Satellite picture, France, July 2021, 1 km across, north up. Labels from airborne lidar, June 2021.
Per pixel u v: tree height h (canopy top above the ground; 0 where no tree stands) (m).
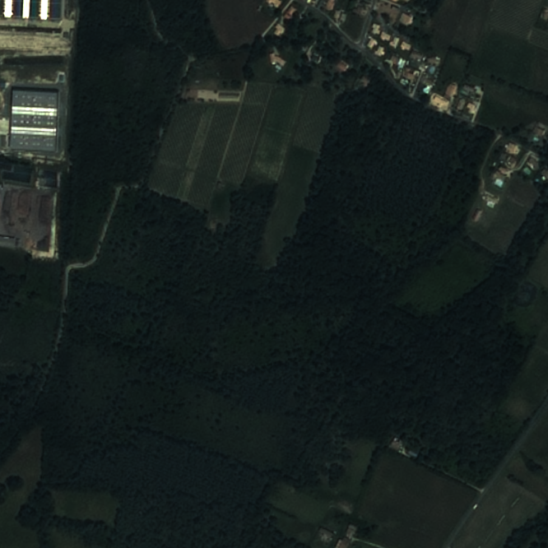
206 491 21
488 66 0
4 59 0
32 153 0
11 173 0
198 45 7
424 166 13
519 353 18
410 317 18
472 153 15
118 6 6
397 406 24
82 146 7
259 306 23
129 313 17
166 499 23
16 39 0
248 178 0
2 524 0
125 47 11
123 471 21
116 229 12
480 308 24
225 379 21
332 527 0
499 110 0
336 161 21
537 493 0
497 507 0
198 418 9
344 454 10
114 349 8
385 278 18
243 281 9
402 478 0
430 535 0
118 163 8
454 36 0
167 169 0
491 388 25
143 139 7
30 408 13
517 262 21
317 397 12
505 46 0
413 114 14
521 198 0
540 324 0
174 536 17
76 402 10
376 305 23
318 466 16
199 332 11
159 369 11
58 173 0
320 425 9
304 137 0
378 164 10
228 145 0
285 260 18
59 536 0
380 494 0
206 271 7
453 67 0
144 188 7
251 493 19
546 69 0
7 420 19
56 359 11
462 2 0
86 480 21
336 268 28
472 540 0
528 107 0
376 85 10
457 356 8
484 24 0
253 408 15
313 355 14
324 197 26
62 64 0
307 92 0
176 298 16
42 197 0
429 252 9
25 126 0
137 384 14
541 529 17
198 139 0
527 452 0
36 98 0
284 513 6
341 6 0
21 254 0
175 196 0
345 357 23
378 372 23
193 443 9
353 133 26
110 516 0
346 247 25
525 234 16
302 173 0
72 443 12
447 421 19
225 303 12
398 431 20
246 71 16
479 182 16
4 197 0
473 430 19
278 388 19
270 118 0
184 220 15
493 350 15
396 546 0
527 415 0
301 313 20
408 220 13
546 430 0
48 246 0
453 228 7
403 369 28
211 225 0
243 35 0
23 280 17
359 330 19
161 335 10
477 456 9
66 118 0
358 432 20
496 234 0
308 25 14
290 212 0
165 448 20
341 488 0
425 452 7
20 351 0
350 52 13
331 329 26
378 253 15
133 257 12
